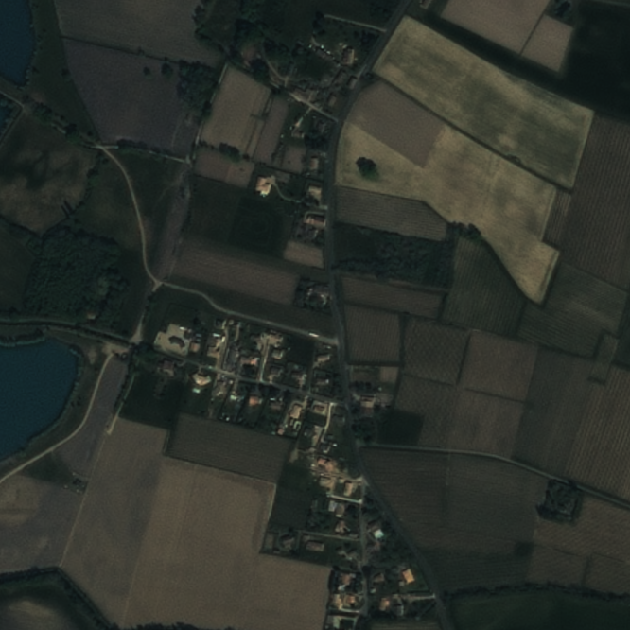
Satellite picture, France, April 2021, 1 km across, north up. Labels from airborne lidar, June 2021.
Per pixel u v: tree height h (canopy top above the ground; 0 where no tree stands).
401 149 0
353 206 0
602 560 0
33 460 0
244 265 0
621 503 0
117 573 0
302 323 0
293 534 6
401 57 0
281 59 13
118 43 0
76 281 16
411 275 9
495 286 0
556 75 0
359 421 14
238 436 0
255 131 0
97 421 0
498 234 0
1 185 0
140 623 0
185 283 0
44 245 14
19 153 0
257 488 0
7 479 0
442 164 0
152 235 0
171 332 0
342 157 0
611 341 0
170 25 0
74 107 0
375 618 18
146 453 0
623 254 0
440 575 0
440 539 0
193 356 9
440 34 0
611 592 0
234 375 0
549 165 0
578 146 0
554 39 0
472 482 0
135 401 0
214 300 0
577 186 0
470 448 0
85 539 0
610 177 0
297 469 0
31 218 0
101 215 0
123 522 0
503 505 0
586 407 0
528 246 0
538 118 0
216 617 0
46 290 12
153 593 0
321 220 0
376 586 6
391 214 0
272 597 0
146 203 0
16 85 7
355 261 11
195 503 0
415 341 0
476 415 0
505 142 0
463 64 0
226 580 0
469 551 0
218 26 0
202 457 0
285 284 0
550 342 0
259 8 14
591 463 0
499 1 0
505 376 0
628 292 0
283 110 0
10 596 0
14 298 0
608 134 0
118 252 13
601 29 0
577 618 0
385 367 0
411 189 0
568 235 0
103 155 10
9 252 0
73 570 0
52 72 0
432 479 0
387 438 0
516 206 0
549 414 0
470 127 0
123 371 0
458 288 0
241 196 0
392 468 0
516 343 0
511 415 0
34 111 14
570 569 0
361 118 0
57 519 0
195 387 0
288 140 0
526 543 0
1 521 0
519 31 0
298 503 0
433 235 0
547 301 0
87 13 0
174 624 0
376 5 6
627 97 0
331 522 8
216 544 0
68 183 0
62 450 0
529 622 0
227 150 18
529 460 0
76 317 14
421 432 0
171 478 0
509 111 0
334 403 0
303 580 0
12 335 0
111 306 13
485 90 0
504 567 0
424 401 0
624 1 0
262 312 0
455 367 0
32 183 0
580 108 0
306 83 8
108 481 0
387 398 0
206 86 30
